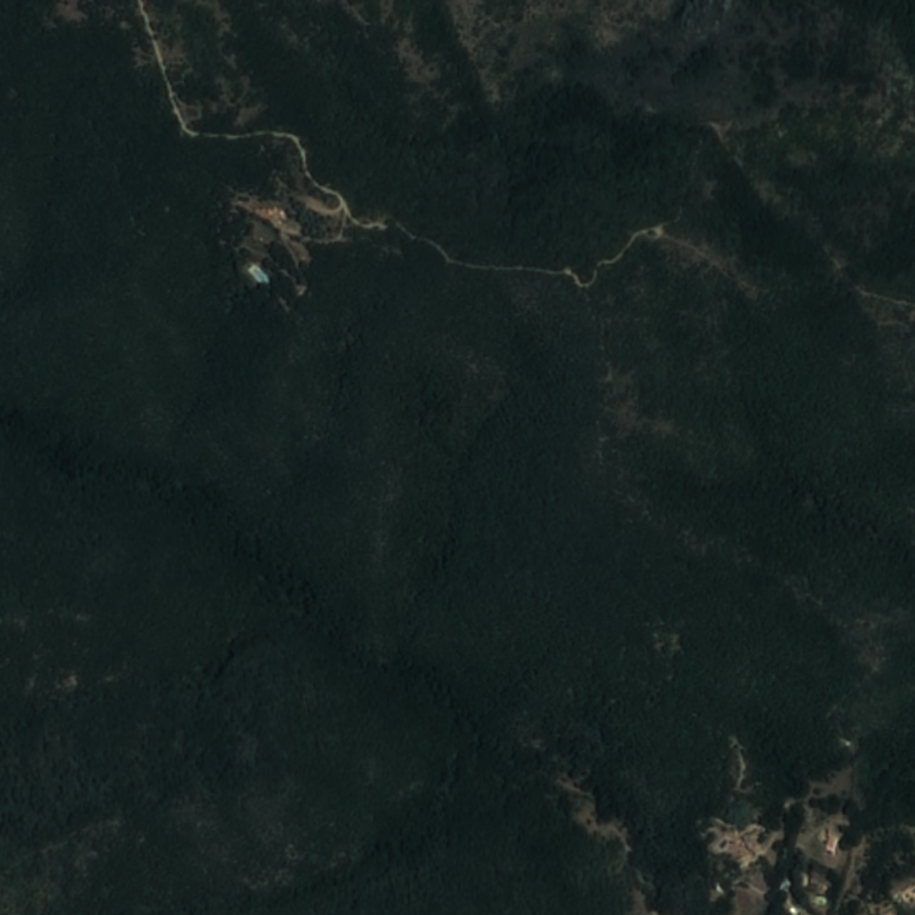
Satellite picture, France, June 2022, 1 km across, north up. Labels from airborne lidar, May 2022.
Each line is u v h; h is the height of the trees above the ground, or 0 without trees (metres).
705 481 8
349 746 8
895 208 6
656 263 6
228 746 6
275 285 10
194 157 8
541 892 8
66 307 6
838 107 6
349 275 9
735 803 7
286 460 8
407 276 7
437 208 7
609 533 8
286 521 8
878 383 8
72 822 8
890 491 11
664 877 15
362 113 8
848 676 7
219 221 10
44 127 11
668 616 11
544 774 9
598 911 7
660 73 6
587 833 6
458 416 6
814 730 13
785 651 8
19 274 7
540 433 9
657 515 7
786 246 8
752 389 7
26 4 8
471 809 9
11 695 7
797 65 6
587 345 5
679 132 7
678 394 6
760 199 9
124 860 6
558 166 6
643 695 8
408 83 6
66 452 19
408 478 8
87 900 9
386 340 8
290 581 22
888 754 17
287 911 8
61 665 8
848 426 8
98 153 8
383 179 7
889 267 9
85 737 8
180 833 8
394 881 7
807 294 7
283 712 8
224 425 6
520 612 9
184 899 10
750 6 5
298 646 8
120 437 5
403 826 11
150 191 7
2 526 10
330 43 7
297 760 8
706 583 10
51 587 9
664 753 10
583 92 7
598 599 11
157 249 7
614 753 11
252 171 8
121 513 11
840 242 6
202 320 7
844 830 11
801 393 9
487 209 7
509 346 9
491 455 7
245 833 7
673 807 9
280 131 6
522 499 9
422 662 16
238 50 7
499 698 12
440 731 12
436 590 9
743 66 6
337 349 13
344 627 17
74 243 8
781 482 9
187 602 7
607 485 6
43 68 7
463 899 8
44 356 7
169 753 8
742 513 11
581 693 11
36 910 8
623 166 6
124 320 6
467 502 7
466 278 8
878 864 15
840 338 10
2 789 6
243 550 18
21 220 7
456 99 8
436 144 14
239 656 11
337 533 6
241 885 7
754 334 7
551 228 6
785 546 10
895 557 11
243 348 8
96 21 6
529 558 8
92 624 6
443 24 8
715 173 6
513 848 8
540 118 7
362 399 8
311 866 7
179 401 8
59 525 15
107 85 8
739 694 6
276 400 5
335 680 8
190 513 13
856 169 9
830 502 10
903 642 8
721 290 5
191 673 13
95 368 7
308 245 7
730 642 9
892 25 8
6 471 10
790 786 17
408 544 9
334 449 6
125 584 9
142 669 6
